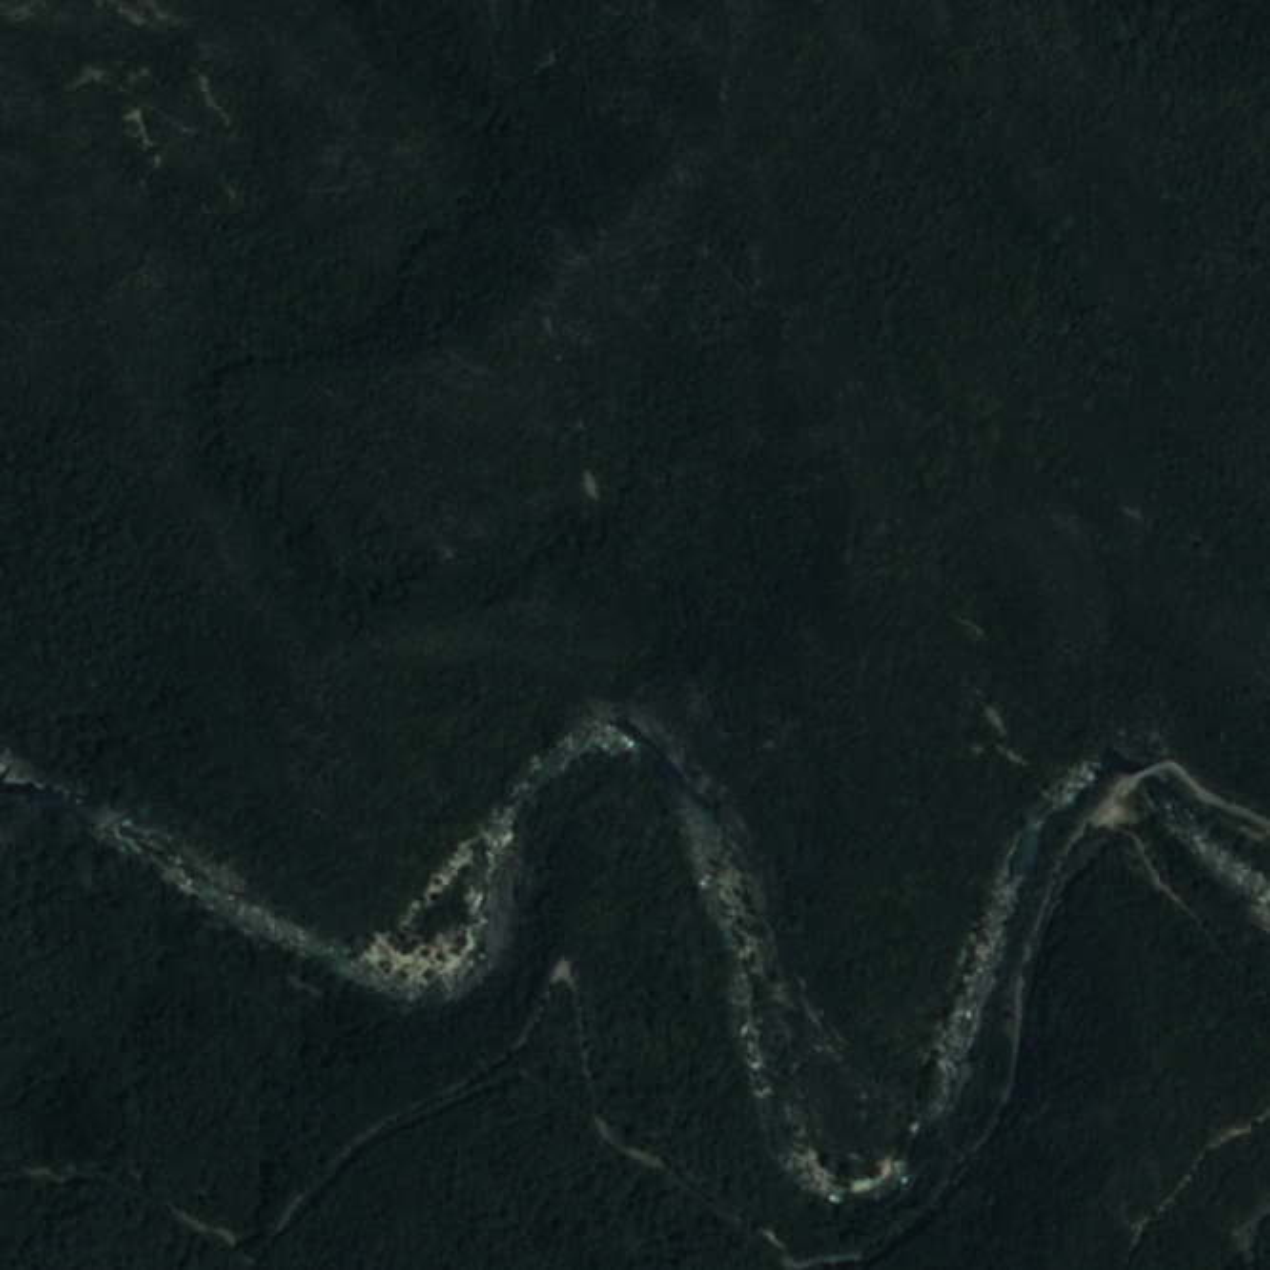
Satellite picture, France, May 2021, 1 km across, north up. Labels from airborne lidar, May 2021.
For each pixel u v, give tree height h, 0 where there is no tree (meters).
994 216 12
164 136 6
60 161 6
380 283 13
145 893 13
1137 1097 10
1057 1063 11
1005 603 9
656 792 13
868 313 7
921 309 6
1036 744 10
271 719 7
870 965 11
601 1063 17
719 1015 7
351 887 10
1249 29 14
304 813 6
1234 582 9
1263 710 7
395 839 11
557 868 9
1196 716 10
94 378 6
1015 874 0
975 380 7
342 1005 18
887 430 6
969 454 9
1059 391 8
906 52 9
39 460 12
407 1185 11
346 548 5
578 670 8
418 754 10
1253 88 8
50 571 21
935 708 8
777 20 7
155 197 9
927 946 13
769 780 7
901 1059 10
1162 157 9
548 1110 14
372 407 7
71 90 7
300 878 7
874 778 8
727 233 6
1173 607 6
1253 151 11
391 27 12
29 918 28
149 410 7
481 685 16
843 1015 8
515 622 9
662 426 9
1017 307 9
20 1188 14
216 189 7
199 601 13
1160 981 14
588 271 7
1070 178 10
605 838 6
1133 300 8
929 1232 16
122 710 17
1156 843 11
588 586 8
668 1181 16
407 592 19
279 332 14
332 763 9
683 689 9
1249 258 10
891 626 11
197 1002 17
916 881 9
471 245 10
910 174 7
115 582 18
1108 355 11
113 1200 23
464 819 11
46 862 23
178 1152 18
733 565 7
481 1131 10
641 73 6
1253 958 10
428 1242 11
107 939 22
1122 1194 7
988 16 9
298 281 15
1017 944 7
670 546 10
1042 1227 8
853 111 7
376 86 6
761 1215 11
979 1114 6
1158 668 7
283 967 14
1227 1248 16
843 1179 7
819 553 9
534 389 7
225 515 7
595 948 10
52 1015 17
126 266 7
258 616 6
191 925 12
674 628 14
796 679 8
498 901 0
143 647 7
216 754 15
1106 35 9
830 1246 15
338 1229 10
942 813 9
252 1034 15
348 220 6
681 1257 17
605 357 10
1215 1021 12
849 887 7
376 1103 15
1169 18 10
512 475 10
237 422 13
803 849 8
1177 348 6
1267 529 11
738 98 7
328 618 10
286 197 8
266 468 12
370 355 10
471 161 18
